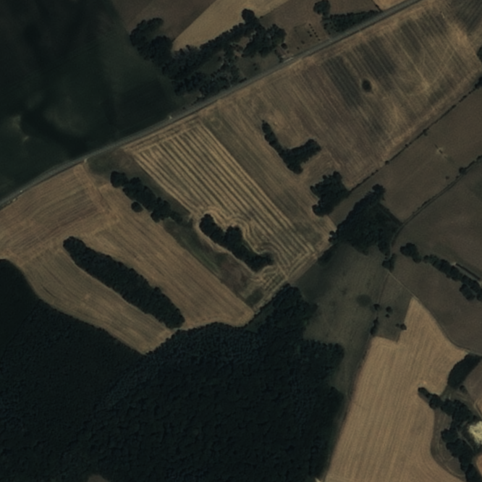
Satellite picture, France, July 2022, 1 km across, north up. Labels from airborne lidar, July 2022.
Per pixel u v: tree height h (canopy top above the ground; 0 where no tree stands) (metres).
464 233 0
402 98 0
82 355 12
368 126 0
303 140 0
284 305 22
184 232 0
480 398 0
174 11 0
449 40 0
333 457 0
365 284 0
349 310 0
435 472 0
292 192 0
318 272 0
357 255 0
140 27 13
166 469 25
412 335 0
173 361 26
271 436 26
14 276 7
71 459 18
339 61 0
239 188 0
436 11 0
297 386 26
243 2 0
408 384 0
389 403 0
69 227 0
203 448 20
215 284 0
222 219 0
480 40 0
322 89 0
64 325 16
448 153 0
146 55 13
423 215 0
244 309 0
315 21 0
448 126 0
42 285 0
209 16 0
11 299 6
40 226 0
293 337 22
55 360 12
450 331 0
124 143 0
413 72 0
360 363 0
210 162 0
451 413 16
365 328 0
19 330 9
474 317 0
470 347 0
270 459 31
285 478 26
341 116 0
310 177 0
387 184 0
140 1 0
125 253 0
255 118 0
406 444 0
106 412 22
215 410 28
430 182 0
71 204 0
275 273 0
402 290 0
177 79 13
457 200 0
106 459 22
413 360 0
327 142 0
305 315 19
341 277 0
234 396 28
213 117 0
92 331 12
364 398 0
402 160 0
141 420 28
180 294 0
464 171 15
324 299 0
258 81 0
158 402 23
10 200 0
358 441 0
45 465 20
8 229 0
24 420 14
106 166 0
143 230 0
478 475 22
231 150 0
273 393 24
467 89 0
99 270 23
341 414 0
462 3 0
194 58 26
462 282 9
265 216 0
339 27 8
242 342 24
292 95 0
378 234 10
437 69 0
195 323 0
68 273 0
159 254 0
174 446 24
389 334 0
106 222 0
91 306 0
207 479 28
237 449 30
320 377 15
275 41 13
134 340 0
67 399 14
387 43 0
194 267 0
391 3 0
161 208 20
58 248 0
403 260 0
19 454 28
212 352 7
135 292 18
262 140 0
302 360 17
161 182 0
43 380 11
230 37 17
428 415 0
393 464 0
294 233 0
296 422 25
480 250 0
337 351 13
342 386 0
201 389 26
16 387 13
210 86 21
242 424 30
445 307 0
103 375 7
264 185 0
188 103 0
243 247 13
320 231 0
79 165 0
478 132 0
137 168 0
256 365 24
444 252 0
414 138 0
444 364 0
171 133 0
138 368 24
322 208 19
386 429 0
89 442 21
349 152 0
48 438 14
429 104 0
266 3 0
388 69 0
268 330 22
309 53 0
